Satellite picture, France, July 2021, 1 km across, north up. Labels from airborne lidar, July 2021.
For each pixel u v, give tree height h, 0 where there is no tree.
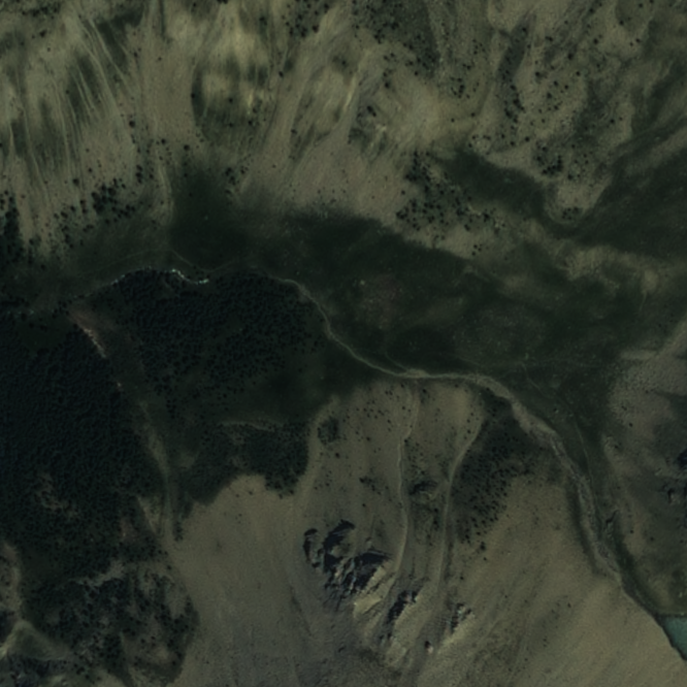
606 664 0
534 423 0
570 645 0
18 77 0
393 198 0
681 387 0
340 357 0
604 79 0
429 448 0
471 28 0
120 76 0
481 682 0
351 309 0
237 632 0
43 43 0
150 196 0
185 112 0
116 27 0
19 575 0
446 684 0
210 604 0
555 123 0
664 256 0
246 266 0
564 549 0
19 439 16
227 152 0
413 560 0
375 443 0
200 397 6
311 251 0
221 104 0
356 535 0
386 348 0
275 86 0
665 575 0
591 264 0
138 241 0
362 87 0
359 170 0
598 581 0
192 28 0
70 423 11
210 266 0
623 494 0
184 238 0
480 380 0
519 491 0
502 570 0
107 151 0
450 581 0
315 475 0
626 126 0
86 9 0
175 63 0
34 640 0
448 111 0
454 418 0
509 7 0
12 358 18
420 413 0
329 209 0
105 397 11
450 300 0
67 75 0
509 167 0
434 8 0
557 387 0
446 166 0
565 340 0
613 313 0
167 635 0
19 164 0
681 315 0
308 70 0
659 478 0
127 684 0
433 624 0
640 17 0
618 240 0
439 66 0
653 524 0
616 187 0
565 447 0
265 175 0
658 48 0
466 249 0
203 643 0
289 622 0
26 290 0
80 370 13
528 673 0
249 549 0
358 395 0
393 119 0
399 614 0
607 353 0
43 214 0
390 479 0
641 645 0
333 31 0
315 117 0
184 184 0
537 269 0
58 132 0
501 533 0
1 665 0
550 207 0
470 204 0
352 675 0
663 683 0
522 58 0
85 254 0
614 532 0
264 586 0
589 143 0
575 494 0
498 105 0
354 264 0
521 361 0
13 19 0
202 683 0
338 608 0
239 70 0
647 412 0
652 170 0
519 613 0
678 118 0
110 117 0
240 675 0
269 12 0
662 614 0
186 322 9
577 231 0
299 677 0
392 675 0
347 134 0
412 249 0
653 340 0
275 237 0
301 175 0
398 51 0
